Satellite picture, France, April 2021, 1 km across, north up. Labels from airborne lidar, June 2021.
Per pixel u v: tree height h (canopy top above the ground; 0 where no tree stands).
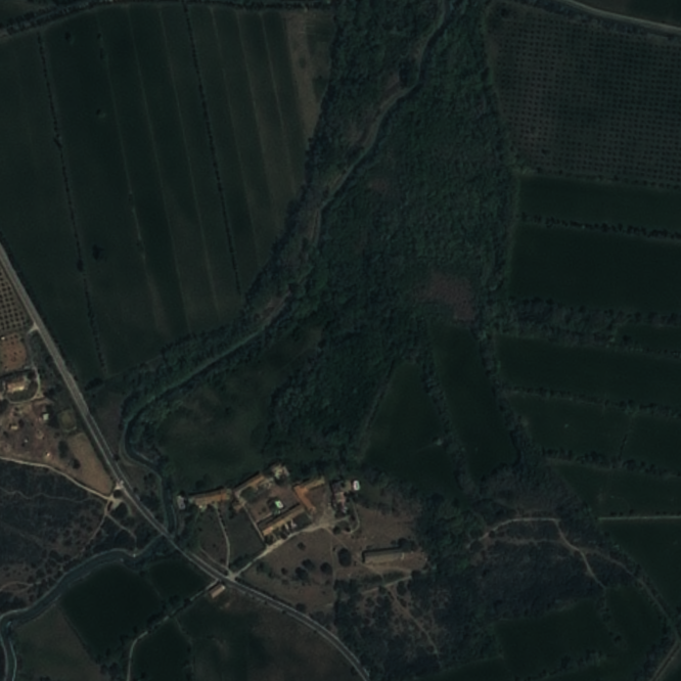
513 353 0
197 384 13
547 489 15
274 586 0
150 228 0
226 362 9
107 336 0
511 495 11
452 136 6
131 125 0
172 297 0
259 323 18
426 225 6
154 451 13
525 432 15
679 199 0
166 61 0
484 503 9
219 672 0
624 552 8
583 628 0
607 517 0
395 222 16
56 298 0
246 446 0
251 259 0
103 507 0
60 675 0
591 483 0
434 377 16
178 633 0
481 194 10
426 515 11
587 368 0
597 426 0
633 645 0
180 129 0
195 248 0
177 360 11
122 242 0
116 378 0
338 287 23
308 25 0
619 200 0
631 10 0
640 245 0
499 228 22
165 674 0
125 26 0
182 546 18
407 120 10
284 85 0
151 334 0
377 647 6
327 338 7
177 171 0
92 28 0
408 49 9
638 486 0
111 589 0
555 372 0
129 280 0
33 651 0
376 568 0
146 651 0
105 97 0
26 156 0
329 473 25
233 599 0
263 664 0
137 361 0
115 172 0
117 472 0
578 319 16
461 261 8
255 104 0
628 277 0
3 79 0
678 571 0
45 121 0
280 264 22
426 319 9
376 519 0
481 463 0
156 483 6
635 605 0
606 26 9
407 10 18
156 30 0
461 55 14
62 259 0
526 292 0
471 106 15
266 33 0
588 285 0
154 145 0
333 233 9
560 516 9
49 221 0
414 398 0
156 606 0
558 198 0
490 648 10
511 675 0
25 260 0
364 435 14
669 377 0
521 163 11
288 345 0
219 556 0
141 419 19
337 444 26
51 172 0
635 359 0
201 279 0
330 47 0
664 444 0
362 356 12
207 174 0
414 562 0
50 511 0
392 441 0
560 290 0
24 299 0
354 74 24
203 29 0
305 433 15
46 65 9
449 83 17
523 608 7
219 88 0
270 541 8
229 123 0
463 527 18
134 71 0
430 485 0
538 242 0
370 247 8
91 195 0
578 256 0
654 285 0
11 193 0
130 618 0
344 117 25
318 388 16
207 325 0
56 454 0
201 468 0
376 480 21
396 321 16
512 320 18
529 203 0
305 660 0
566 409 0
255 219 0
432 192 10
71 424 0
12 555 0
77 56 0
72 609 0
